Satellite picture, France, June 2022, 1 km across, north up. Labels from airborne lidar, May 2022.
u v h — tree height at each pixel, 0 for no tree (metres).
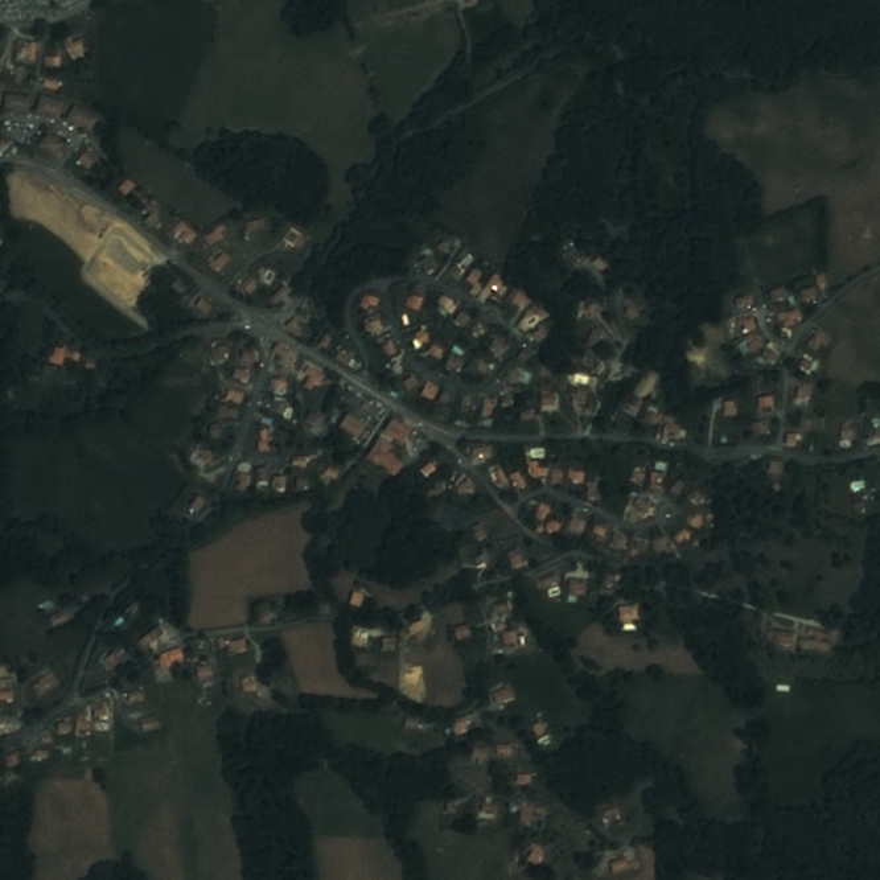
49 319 7
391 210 20
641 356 17
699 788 0
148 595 14
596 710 9
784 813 20
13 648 0
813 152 0
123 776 0
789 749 0
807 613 0
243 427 0
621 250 29
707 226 13
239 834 15
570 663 14
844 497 0
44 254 0
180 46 0
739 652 27
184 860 0
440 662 0
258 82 0
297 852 25
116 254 0
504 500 15
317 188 22
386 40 0
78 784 0
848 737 0
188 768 0
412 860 17
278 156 26
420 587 0
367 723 0
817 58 28
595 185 30
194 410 0
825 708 0
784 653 0
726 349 8
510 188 0
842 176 0
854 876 19
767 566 21
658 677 12
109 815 0
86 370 14
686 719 0
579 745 26
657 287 27
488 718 12
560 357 20
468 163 0
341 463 15
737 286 11
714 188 22
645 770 26
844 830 29
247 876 14
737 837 23
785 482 7
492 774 12
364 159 0
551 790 13
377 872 0
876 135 0
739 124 0
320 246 9
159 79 0
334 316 15
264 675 20
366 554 0
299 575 0
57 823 0
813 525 22
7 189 11
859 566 0
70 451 0
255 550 0
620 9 21
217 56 0
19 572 12
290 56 0
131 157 0
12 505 19
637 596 17
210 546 0
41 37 16
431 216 11
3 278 13
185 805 0
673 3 20
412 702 5
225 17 0
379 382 9
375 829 0
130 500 0
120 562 14
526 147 0
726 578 28
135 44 0
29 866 6
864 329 0
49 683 0
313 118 0
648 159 12
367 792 19
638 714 0
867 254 0
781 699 0
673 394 18
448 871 0
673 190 0
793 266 0
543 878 28
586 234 15
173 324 9
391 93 0
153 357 10
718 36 23
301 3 17
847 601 0
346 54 0
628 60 10
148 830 0
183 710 0
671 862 21
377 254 14
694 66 18
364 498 16
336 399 15
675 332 23
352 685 12
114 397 27
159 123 0
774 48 27
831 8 25
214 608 0
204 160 13
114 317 0
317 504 10
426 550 22
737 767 0
